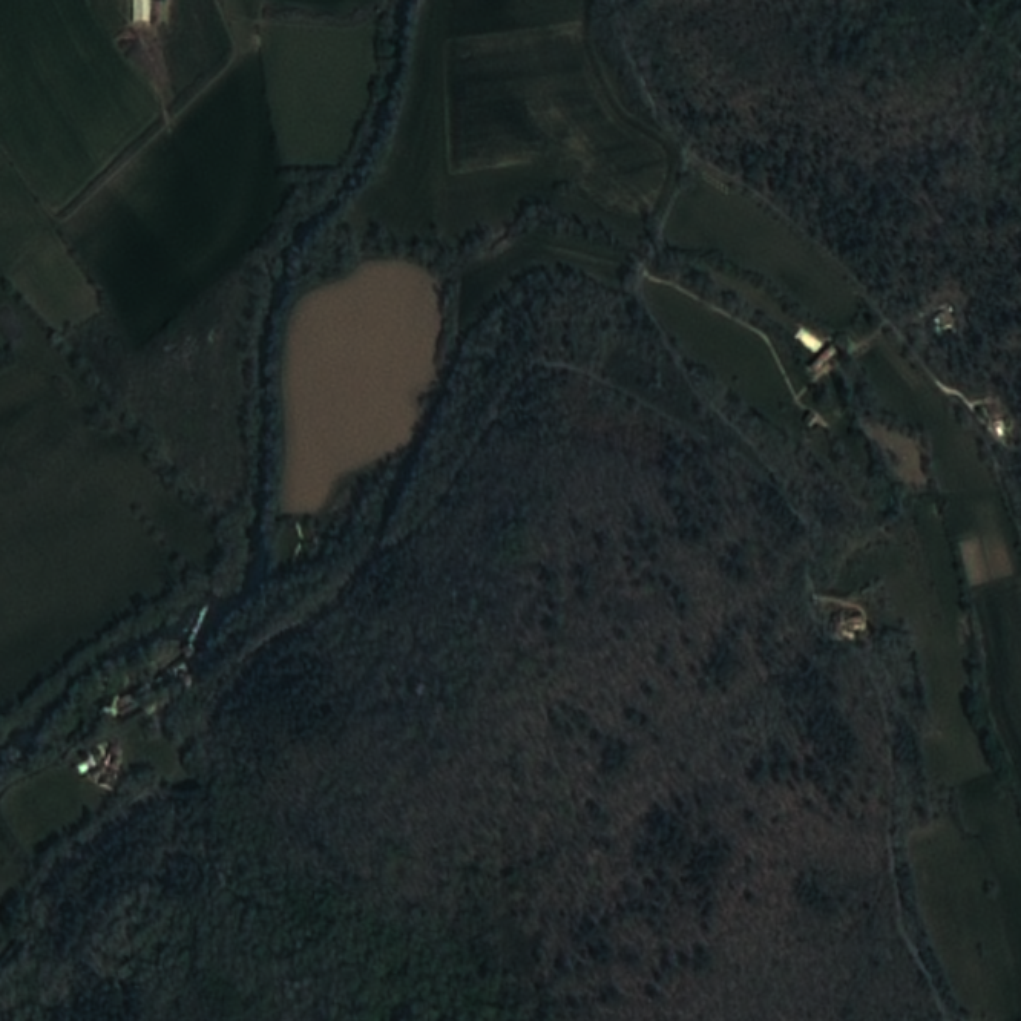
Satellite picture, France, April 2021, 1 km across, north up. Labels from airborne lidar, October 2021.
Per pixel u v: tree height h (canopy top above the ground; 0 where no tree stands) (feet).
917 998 42
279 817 52
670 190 0
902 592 0
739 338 0
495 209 0
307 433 0
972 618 42
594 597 40
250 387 61
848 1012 40
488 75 0
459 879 42
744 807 32
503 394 42
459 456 42
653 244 47
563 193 29
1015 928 0
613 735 32
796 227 41
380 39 42
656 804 37
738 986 55
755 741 38
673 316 0
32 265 0
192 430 0
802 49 33
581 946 74
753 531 49
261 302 82
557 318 60
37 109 0
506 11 0
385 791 64
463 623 64
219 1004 62
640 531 43
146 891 49
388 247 68
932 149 60
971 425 58
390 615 55
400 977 64
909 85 54
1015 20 79
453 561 48
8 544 0
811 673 79
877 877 28
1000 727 0
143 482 0
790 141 21
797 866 40
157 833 36
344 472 0
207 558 0
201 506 41
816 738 77
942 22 63
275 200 0
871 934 55
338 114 0
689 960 35
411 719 68
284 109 0
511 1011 39
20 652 0
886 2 52
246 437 63
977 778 0
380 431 0
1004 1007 0
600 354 47
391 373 0
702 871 49
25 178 0
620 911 43
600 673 42
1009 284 32
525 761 58
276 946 99
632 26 63
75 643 0
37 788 0
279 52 0
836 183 66
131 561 0
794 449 72
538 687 41
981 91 28
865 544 62
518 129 0
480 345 40
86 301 0
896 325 49
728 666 68
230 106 0
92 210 0
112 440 63
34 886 41
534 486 52
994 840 0
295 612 49
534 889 44
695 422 38
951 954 0
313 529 26
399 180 0
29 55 0
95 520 0
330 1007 61
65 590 0
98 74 0
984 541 0
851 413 73
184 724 60
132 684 71
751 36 22
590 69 0
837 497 63
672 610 50
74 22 0
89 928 35
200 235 0
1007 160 51
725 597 47
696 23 28
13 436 0
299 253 42
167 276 0
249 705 34
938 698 0
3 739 66
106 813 33
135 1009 72
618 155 0
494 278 0
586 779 40
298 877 55
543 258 0
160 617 63
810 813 59
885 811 49
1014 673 0
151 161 0
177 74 0
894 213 72
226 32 0
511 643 54
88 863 77
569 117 0
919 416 0
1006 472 40
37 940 20
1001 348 44
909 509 40
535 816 46
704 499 61
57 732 72
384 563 38
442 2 0
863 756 41
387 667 71
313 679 37
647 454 24
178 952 35
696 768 56
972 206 72
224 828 73
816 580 66
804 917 46
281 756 35
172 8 0
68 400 0
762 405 0
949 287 48
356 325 0
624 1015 37
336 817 56
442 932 54
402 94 39
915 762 73
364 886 73
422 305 0
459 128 0
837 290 0
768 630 40
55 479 0
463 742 54
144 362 0
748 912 29
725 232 0
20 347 0
